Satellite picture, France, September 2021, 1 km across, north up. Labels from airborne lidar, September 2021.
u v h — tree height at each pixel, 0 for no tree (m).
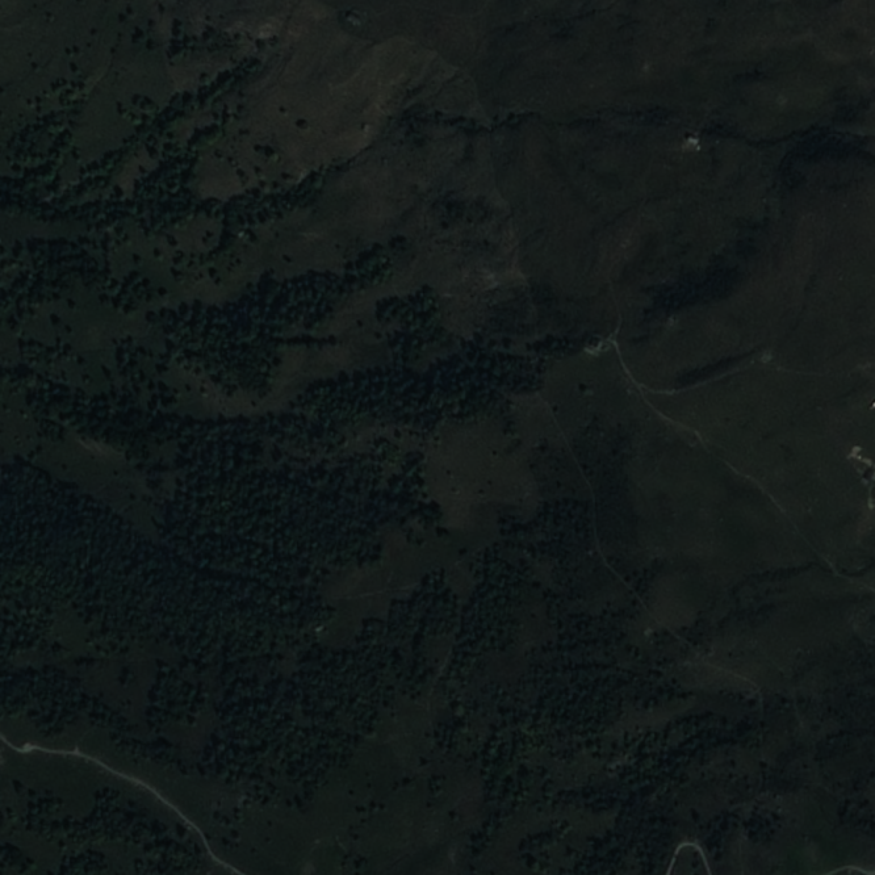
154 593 9
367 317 0
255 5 0
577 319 0
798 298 0
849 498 0
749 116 0
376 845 0
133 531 6
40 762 0
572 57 0
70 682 6
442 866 0
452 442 0
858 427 0
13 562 8
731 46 0
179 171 15
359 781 0
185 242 0
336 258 0
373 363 0
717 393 0
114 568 7
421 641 9
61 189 8
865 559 0
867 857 0
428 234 0
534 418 0
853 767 0
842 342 0
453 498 0
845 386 0
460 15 0
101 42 0
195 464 9
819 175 0
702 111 0
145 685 0
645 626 0
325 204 0
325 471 7
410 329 15
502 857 0
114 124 0
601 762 8
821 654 0
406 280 0
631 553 0
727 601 0
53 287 10
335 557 7
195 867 6
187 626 6
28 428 0
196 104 7
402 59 0
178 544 9
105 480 0
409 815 0
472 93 0
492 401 9
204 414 0
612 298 0
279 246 0
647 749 7
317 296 11
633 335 0
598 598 0
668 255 0
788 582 0
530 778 16
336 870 0
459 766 0
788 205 0
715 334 0
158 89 0
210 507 8
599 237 0
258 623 7
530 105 0
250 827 0
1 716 8
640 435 0
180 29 12
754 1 0
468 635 10
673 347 0
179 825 0
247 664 6
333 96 0
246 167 0
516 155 0
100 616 8
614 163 0
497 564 11
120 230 7
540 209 0
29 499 13
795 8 0
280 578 10
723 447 0
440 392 8
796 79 0
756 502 0
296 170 0
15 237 0
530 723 8
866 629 0
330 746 11
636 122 0
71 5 0
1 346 0
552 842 7
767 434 0
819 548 0
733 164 0
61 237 0
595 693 7
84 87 8
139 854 0
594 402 0
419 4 0
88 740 0
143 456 9
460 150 0
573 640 6
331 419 7
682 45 0
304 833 0
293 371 0
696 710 0
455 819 9
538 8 0
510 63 0
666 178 0
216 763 6
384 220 0
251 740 9
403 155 0
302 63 0
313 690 9
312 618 7
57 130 10
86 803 0
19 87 0
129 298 7
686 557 0
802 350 0
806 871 0
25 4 0
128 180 0
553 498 0
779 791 0
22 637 12
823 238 0
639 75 0
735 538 0
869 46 0
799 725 0
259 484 7
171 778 0
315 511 11
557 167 0
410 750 0
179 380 0
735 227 0
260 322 11
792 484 0
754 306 0
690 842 0
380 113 0
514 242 0
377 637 9
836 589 0
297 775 11
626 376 0
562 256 0
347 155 0
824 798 0
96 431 16
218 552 6
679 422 0
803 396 0
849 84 0
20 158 10
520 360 6
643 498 0
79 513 12
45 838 9
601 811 7
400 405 9
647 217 0
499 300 0
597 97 0
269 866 0
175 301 0
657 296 0
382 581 0
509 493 0
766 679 0
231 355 10
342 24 0
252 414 0
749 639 0
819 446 0
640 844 6
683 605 0
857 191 0
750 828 7
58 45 0
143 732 0
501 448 0
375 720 7
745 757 0
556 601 10
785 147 0
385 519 7
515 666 0
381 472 7
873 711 0
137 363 9
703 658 0
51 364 8
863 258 0
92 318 0
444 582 6
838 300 0
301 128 9
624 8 0
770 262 0
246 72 8
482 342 10
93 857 10
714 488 0
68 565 7
